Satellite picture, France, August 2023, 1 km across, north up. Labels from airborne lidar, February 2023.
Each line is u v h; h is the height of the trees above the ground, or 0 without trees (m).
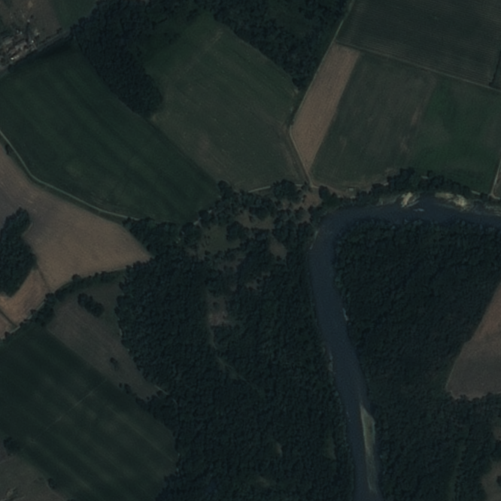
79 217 0
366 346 22
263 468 22
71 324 0
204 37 0
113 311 0
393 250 25
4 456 0
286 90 0
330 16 28
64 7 0
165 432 0
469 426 20
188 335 26
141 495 0
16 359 0
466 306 16
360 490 0
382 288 10
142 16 27
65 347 0
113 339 0
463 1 0
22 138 0
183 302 17
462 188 18
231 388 28
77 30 19
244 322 22
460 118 0
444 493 26
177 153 0
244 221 0
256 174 0
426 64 0
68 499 0
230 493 17
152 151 0
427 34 0
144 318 21
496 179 0
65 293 10
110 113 0
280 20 29
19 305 0
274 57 12
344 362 0
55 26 0
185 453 16
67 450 0
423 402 11
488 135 0
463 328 16
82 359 0
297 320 22
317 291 0
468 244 29
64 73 0
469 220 0
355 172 0
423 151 0
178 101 0
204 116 0
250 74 0
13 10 0
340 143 0
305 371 15
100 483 0
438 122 0
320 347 17
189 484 23
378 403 7
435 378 12
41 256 0
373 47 0
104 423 0
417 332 18
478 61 0
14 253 18
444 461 26
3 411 0
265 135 0
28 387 0
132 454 0
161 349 15
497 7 0
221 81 0
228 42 0
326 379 23
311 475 19
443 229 21
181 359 24
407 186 21
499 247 20
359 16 0
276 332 15
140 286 17
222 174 0
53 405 0
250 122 0
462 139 0
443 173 0
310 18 31
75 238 0
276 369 32
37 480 0
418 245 15
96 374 0
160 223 0
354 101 0
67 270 0
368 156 0
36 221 0
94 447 0
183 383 18
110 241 0
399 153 0
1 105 0
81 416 0
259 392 17
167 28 0
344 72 0
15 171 0
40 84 0
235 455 20
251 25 28
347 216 0
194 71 0
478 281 20
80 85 0
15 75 0
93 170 0
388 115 0
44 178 0
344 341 0
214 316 0
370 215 0
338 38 0
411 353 18
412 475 12
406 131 0
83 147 0
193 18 8
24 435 0
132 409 0
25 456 0
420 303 21
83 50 24
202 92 0
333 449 0
